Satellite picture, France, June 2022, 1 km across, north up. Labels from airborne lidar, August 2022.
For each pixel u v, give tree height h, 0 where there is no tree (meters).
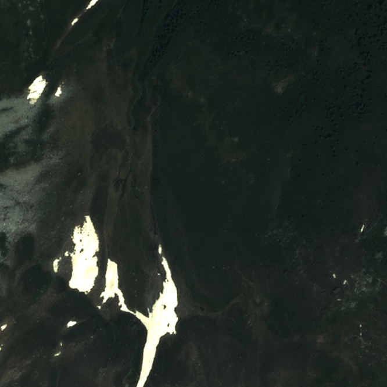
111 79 0
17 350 0
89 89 0
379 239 5
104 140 0
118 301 0
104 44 0
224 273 0
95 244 0
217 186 0
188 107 0
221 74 0
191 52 0
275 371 0
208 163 0
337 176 0
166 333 0
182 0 6
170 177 0
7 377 0
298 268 0
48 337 0
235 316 0
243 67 0
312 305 0
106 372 0
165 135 0
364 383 0
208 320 0
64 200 0
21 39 0
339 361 0
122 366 0
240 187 0
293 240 0
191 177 0
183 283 0
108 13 0
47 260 0
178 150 0
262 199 0
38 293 0
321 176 0
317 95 0
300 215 0
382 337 0
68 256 0
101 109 0
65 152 0
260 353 0
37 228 0
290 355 0
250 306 0
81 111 0
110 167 0
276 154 0
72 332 0
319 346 0
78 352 0
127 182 0
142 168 0
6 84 0
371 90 0
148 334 0
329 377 0
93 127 0
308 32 0
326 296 0
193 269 0
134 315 0
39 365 0
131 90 0
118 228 0
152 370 0
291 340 0
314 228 0
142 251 0
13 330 0
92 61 0
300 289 0
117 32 0
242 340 0
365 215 0
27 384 0
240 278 0
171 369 0
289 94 0
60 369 0
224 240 0
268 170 0
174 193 0
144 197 0
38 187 0
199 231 0
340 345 0
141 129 0
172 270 0
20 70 0
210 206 0
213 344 0
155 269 0
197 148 0
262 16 0
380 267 0
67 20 0
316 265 0
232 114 0
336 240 0
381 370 0
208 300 0
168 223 0
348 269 0
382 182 0
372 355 0
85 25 0
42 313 0
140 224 0
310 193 0
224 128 0
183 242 0
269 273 0
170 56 0
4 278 0
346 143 0
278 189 0
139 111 0
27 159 0
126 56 0
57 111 0
